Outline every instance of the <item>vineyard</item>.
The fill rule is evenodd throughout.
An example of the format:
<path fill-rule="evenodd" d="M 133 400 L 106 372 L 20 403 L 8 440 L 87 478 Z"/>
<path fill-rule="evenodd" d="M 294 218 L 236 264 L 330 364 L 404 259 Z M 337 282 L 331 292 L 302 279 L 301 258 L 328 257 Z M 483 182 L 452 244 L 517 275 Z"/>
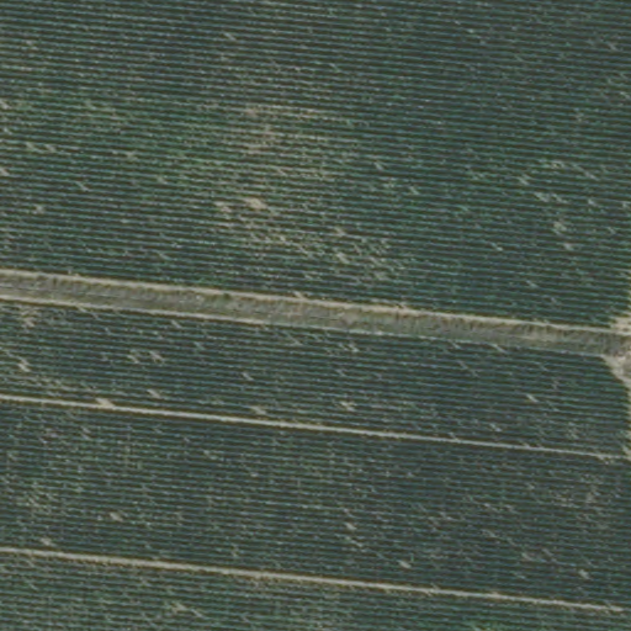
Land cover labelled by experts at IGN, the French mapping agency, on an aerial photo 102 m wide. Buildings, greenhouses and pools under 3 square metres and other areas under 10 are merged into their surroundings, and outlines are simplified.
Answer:
<path fill-rule="evenodd" d="M 0 631 L 631 631 L 631 0 L 0 0 Z"/>

